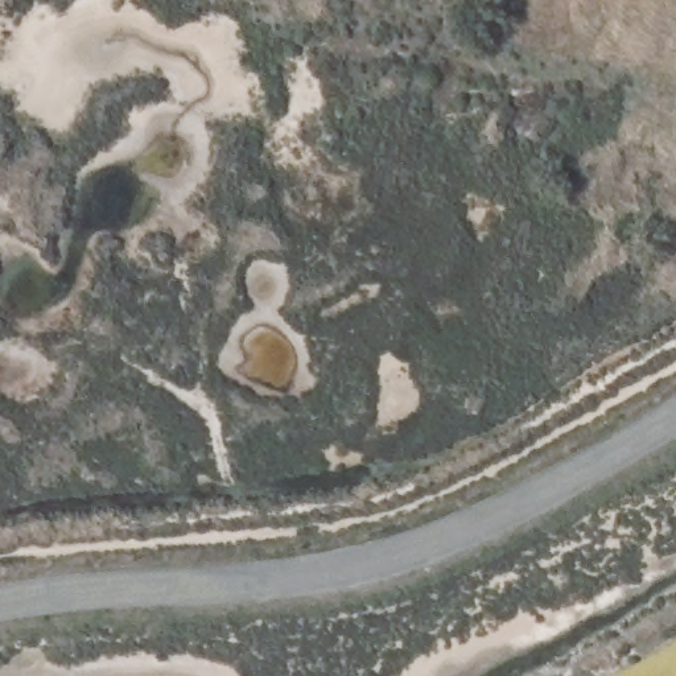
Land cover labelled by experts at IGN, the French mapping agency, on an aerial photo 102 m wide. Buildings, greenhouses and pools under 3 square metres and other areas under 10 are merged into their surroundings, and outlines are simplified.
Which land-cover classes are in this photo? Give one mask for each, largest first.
<instances>
[{"label":"brushwood","instance_id":"1","mask_svg":"<svg viewBox=\"0 0 676 676\"><path fill-rule=\"evenodd\" d=\"M37 3H45L53 11L63 13L74 0H0V16H26ZM135 8L148 11L166 26H182L209 13L230 16L238 24V34L243 40L240 66L254 71L259 82L267 98V108L277 121L288 114V79L296 74V61L301 55L309 40H325L335 34V26L330 21H251V11L267 13L269 8L248 5L240 0H135ZM454 34L459 37V42L473 45L483 58L499 55L504 40H510L518 32V26L528 18V0H462L459 5L449 8ZM322 90L320 111L333 135L330 151L343 164L359 169L362 195L372 203V214L359 217L354 222L343 219V214L351 209V198L341 190L346 185V177L330 174L317 156L301 169L309 177L322 180L330 190L320 198L322 217L293 222L283 206V187L277 182L283 166L275 164V153L264 145L267 129L256 119L246 116L235 114L227 119L206 121L211 172L206 182L198 185L195 193L185 201L190 211H198L214 222L217 248L211 251L195 230L185 232L182 238H174V232L169 230L148 232L140 240V246L151 251L148 259H140L135 264L132 259L108 256L95 264L90 288L82 293V309L114 325V349L95 354L87 346H74V356L82 359L87 367L85 375L77 380L74 399L55 417L37 420L34 412L42 407L37 399L16 401L0 391V525H11L3 518L8 507L34 504L40 499H79L90 494H103L106 489L100 483H87L79 475L66 473L58 475L55 483L40 489V494L32 491L26 483V470L34 465L32 446L37 441H66L69 433L82 423V417L100 404H116L119 409L137 407L145 412L151 428L161 438L169 470H174L180 481L158 483L153 467L140 454H135V441H114V436L106 433L100 438L77 444L71 452L92 473L114 475L116 486L111 491H164L166 507L161 512H190L198 504L272 510L293 504L288 496L275 491V481L320 475L330 467V462L325 459L327 446H335L338 452H359L362 462L364 467H370L378 459H423L430 454L449 452L457 441L467 436H486L496 425L507 423V417L512 415H525L528 420L560 399V388L549 378L552 349L557 341L599 338L602 327L610 320H621L626 325L639 322L636 293L644 283L636 264H623L594 277L584 298L573 296L570 288H565V272L576 269L586 256H592L599 232V222L589 217L584 201L586 177L581 174L578 161L586 151H594L607 140L618 137L626 111L623 90L613 85L610 90H597L584 87V82L578 79H568L555 85L547 82L531 95L512 98L510 79L504 74L494 77L486 71L467 69L462 85L489 87L496 92L499 100L462 92L459 103L462 108H470V119L446 124L444 116L436 111L433 100L438 98L444 82L452 77L449 58L438 63H423L417 55H386L359 61L330 53L314 74ZM491 114H499L496 127L502 137L483 164H473V145L483 137V127ZM467 193H478L491 203H504V214L491 219L486 217L489 235L483 240H478L475 224L467 217ZM240 222L272 227L280 238V248L248 251L238 264L230 306L217 309L214 290L232 256L230 240L238 232ZM254 261L285 264L288 283L296 290L317 288L341 277L346 267L354 272V277L343 288L317 298L314 304H304L298 309H288L285 304L280 306V314L293 330H298L306 338L309 372L314 375V388L293 393L261 396L254 388L232 380L230 375H224L219 367V354L227 343L232 325L254 309L246 283L248 267ZM367 283L380 285L375 298L362 301L335 317H322L327 306L356 293V288ZM121 354H129L151 370H156L161 378L174 380L182 388H201L217 407L222 430L227 433L235 425L238 415V409L230 401V393H238L240 399L256 407L283 409V420L259 423L256 428L243 433V438L227 446L235 483L222 486L206 420L169 391L148 383L145 375L121 364ZM383 354H393L396 359L409 364V378L420 393L417 409L391 425L378 423V367ZM166 77L140 71L92 85L85 108L77 114L74 124L66 132H50L40 124V119L18 114L13 92H5L0 87V169L11 166L16 156H29V145L37 140L50 151V164L37 166L34 177H40L48 187H63L66 195L61 203V217L63 224L71 230V240L69 248H58V235L48 232V243L42 251L55 264L58 275L42 272L29 256H0V341L13 338L18 327L21 320L42 314L48 306L69 296L71 285L77 283L79 264L85 259L87 238L95 230H129L135 224L129 222V209L145 185L140 180L135 177L127 161L103 166L87 180L77 172L92 156L111 148L119 137L129 132L132 108L166 100ZM647 243L668 256L676 254V219L660 211L652 214L647 222ZM652 518L668 520L671 525L665 536L655 539V555H676V515L671 504L663 499L652 507ZM552 547L547 536L533 525L528 531L510 533L499 544H483L467 557L438 565L433 573H425L417 584L388 586L380 592H343L330 594L325 599L301 597L248 602L235 605L232 610L227 605H158L100 607L0 621V665H8L26 647H37L45 652L50 663L58 665H79L98 658L151 652L158 660L172 655H195L203 660L232 665L240 676H399L415 658L433 652L436 642H446V647H452L454 639L467 642V636H486L496 631L504 621H512L518 613H531L536 607L560 610L576 602H589L613 586L639 581L644 570L642 552L631 544L621 547H589L568 552L560 565L541 568V560L549 557Z\"/></svg>","mask_w":676,"mask_h":676},{"label":"herbaceous vegetation","instance_id":"2","mask_svg":"<svg viewBox=\"0 0 676 676\"><path fill-rule=\"evenodd\" d=\"M248 5L269 8L267 13L251 11V21H330L335 26V34L325 40H309L301 55L309 61V71L314 74L330 53L359 61L386 55H417L423 63H438L449 58L452 77L444 82L438 98L433 100L436 111L444 116L446 124L470 119V108H462L459 103L462 92L499 100L496 92L489 87L462 85L467 69L486 71L494 77L504 74L510 79L512 98L531 95L547 82L555 85L568 79H578L584 82V87L597 90H610L613 85L623 90L626 111L618 137L607 140L594 151H586L578 161L581 174L586 177L584 201L589 217L599 222V232L592 256H586L576 269L565 272V288H570L573 296L584 298L594 277L623 264H636L644 283L636 293L639 322L626 325L621 320H610L602 327L599 338L557 341L552 349L549 378L560 388V399L581 388V383H597L610 370L631 359H639L652 346L665 343L676 335V254L668 256L647 243V222L652 214L660 211L676 219V0H528V18L518 26V32L510 40H504L499 55L483 58L473 45L459 42V37L454 34L449 8L459 5L462 0H240ZM251 114L246 116L256 119L267 129L264 145L275 153V164L283 166L277 182L283 187V206L293 222L322 217L320 198L330 190L322 180L309 177L301 169L317 156L330 174L346 177V185L341 190L351 198V209L343 214V219L354 222L359 217L372 214V203L362 195L359 169L343 164L330 151L333 135L320 111L304 114L296 135L277 137V121L267 108V98L259 82L248 87ZM193 158L187 140L177 132H156L140 153L129 156L127 161L135 177L140 180L148 172L158 177H174L182 161ZM29 156H16L11 166L0 169V232L13 235L21 243H32L42 251L48 243V232L58 235V248H69L71 240V230L63 224L61 217V203L66 195L63 187H48L40 177H34L37 166L50 164V151L37 140L29 145ZM158 203V193L145 185L129 209V222L135 224L145 222ZM232 256L214 290L217 309L230 306L238 264L248 251L280 248V238L272 227L240 222L238 232L230 240ZM354 277V272L346 267L341 277L317 288L296 290L288 283L285 304L288 309H298L304 304H314L317 298L343 288ZM18 343L37 349L45 359L55 362L53 380L40 391L37 399L42 407L34 412L37 420L55 417L74 399L77 380L85 375L87 367L82 359L74 356V346H87L95 354L114 349V325L82 309L77 317H69L63 312L61 325L48 333H29L18 327L13 338ZM676 362V349L621 375L605 391L589 393L586 399L541 423L539 428L523 430L520 423L528 420L525 415H512L507 417V423L496 425L486 436H467L457 441L449 452L430 454L423 459H378L370 467L364 483L354 491L327 494L322 499L293 504L272 510L198 504L190 512H95L87 518L66 515L61 520H32L11 525H0V584H18L40 576L66 573L187 570L224 562L288 560L354 544H370L378 539L423 528L454 512H462L478 502L499 496L552 470L565 459H573L576 454L610 438L628 423L642 420L647 412L663 407L668 399L676 396V375L652 383L647 391L613 407L605 417H597L589 425H581L555 438L552 444L531 452L525 459L504 467L494 478L470 483L457 494L444 496L441 502L423 504L415 512L396 515L391 520L359 523L333 533H322L317 528L320 523H333L341 518L372 515L401 507L425 494L452 486L459 478L481 473L510 454H518L523 446L547 436L549 430L597 409L621 388ZM243 528H296V536L290 539H246L232 544H177L156 549L77 552L58 557L18 555V547L156 539ZM230 401L238 409V415L235 425L227 433L222 430L227 446L243 438V433L256 428L259 423L283 420V409L256 407L240 399L238 393H230ZM106 433L114 436V441H135V454H140L153 467L158 483L180 481L174 470H169L161 438L151 428L145 412L137 407L119 409L116 404H100L82 417V423L69 433L66 441H37L32 446L34 465L26 470V483L32 491L40 494V489L55 483L58 475L66 473L79 475L87 483H100L106 489L111 491L116 486L114 475L92 473L71 452L77 444L100 438ZM663 499L671 504L676 515V441L623 467L621 473L592 486L589 491L573 496L555 512L541 515L533 525L547 536L552 547L573 541L578 539V533L589 539V547H621L615 539H607V531L602 528L605 510H615V523L623 525L621 536H634L642 544L650 533L647 520L652 518V507ZM676 639V584L663 592H655L652 599L634 607L613 626L597 628L592 636L581 639L565 655H557L552 663L523 676H594L599 668H623L626 663L636 665L665 642Z\"/></svg>","mask_w":676,"mask_h":676},{"label":"pervious surface","instance_id":"3","mask_svg":"<svg viewBox=\"0 0 676 676\"><path fill-rule=\"evenodd\" d=\"M243 40L238 34V24L230 16L209 13L182 26H166L148 11L135 8V0H74L63 13L53 11L45 3H37L26 16H0V87L5 92H13L18 114L40 119V124L50 132H66L74 124L77 114L85 108L92 85L140 71L166 77V100L132 108L129 132L119 137L111 148L92 156L77 172L87 180L103 166L127 161L129 156L140 153L156 132H177L187 140L193 158L182 161L174 177H158L148 172L140 180L145 185L158 193V203L145 222L135 224L129 230H95L87 238L85 259L79 264L77 283L71 285L69 296L48 306L42 314L21 320L18 327L29 333H48L61 325L63 312L69 317H77L82 309V293L90 288L95 264L108 256L132 259L135 264L140 259H148L151 251L140 246V240L148 232L169 230L174 232V238H182L185 232L195 230L211 251L217 248L214 222L198 211H190L185 201L195 193L198 185L206 182L211 172L206 121L227 119L235 114L246 116L251 114L248 87L259 82L254 71L240 66ZM288 114L277 121V137L296 135L304 114L320 111L322 90L314 74L309 71V61L301 55L296 61V74L288 79ZM499 114H491L483 127V137L473 145V164H483L502 137L496 127ZM467 217L475 224L478 240H483L489 235L486 217L491 219L504 214V203H491L478 193H467ZM0 256H29L42 272L58 275L55 264L42 251L32 243H21L13 235L0 232ZM246 283L254 309L232 325L227 343L219 354V367L224 375H230L240 362V335L251 325L269 322L283 333V338L296 351L298 370L293 380V393L314 388V375L309 372L306 338L298 330H293L280 314V306L285 304L288 283L285 264L254 261L248 267ZM380 285L367 283L356 288V293L327 306L322 317H335L362 301L375 298ZM676 349V335L665 343L652 346L639 359H631L610 370L597 383H581V388L560 399L528 420L520 423L523 430L539 428L541 423L586 399L589 393L605 391L621 375ZM55 362L45 359L37 349L18 343L13 338L0 341V391L16 401L37 399L40 391L53 380ZM121 364L145 375L148 383L169 391L206 420L222 486L235 483L227 446L222 430L217 407L201 388H182L174 380L161 378L156 370H151L129 354H121ZM378 423L391 425L417 409L420 393L409 378V364L396 359L393 354H383L378 367ZM676 375V362L621 388L597 409L549 430L547 436L523 446L518 454H510L481 473L459 478L452 486L425 494L401 507L372 515L341 518L333 523H320L317 528L322 533H333L359 523L391 520L396 515L415 512L423 504L441 502L444 496L457 494L470 483L494 478L504 467L525 459L531 452L552 444L555 438L581 425H589L597 417H605L613 407L647 391L652 383ZM325 459L330 462V467L335 470L341 465L362 462L359 452H338L335 446H327ZM650 533L642 544L634 536H621L623 525L615 523V510H605L602 528L607 531V539H615L621 547L631 544L642 552L644 570L639 581L613 586L589 602H576L560 610L536 607L531 613H518L512 621H504L496 631L486 636H467V642L454 639L452 647H446V642H436L433 652L415 658L399 676H481L496 663L518 655L520 650L549 642L570 626L597 613H605L621 599L642 594L652 581L676 570V555H655V539L665 536L671 525L668 520L652 518L647 520ZM296 536V528H243L156 539L18 547V555L58 557L77 552L156 549L177 544H232L246 539H290ZM589 547V539L578 533V539L573 541L552 547L549 557L541 560V568L560 565L568 552ZM594 676H676V639L665 642L636 665L626 663L623 668H599ZM0 676H240L232 665L203 660L195 655H172L158 660L151 652L98 658L79 665H58L50 663L45 652L37 647H26L8 665H0Z\"/></svg>","mask_w":676,"mask_h":676},{"label":"impervious surface","instance_id":"4","mask_svg":"<svg viewBox=\"0 0 676 676\"><path fill-rule=\"evenodd\" d=\"M676 441V396L668 399L663 407L647 412L642 420L628 423L610 438L576 454L573 459H565L552 470L499 496L478 502L462 512H454L423 528L378 539L370 544H354L288 560L224 562L187 570L66 573L40 576L18 584H0V621L100 607L158 605H227L232 610L235 605L248 602L301 597L325 599L330 594L343 592H380L388 586L417 584L425 573H433L438 565L467 557L483 544H499L510 533L528 531L533 525L541 515L555 512L573 496L589 491L592 486L621 473L623 467Z\"/></svg>","mask_w":676,"mask_h":676},{"label":"water","instance_id":"5","mask_svg":"<svg viewBox=\"0 0 676 676\"><path fill-rule=\"evenodd\" d=\"M240 362L230 375L232 380L254 388L261 396L293 393V380L298 370L296 351L283 338V333L269 322L251 325L240 335ZM370 467H364L362 462L341 465L335 470L330 467L320 475L275 481V491L288 496L293 504L322 499L327 494L354 491L364 483ZM166 507L164 491H111L106 489L103 494H90L79 499H40L34 504L8 507L3 518L11 525L32 520H61L66 515L87 518L95 512H161ZM676 584V570L652 581L642 594L621 599L605 613H597L570 626L549 642L520 650L518 655L496 663L481 676H523L552 663L557 655H565L581 639L592 636L597 628L613 626L634 607L652 599L655 592H663Z\"/></svg>","mask_w":676,"mask_h":676}]
</instances>
